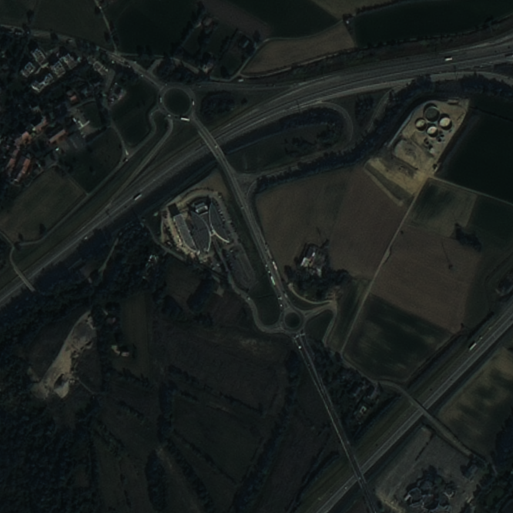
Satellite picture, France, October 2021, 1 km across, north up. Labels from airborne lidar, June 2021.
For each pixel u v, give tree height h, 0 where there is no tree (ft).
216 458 0
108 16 0
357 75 0
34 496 54
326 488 0
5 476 80
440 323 0
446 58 0
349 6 0
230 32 0
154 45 0
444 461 0
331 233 0
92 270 20
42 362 0
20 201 0
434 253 0
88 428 35
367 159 0
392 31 0
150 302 0
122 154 0
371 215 0
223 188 0
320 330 0
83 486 0
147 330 0
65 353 0
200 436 0
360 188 0
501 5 0
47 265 0
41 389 0
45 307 62
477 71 0
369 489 0
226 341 0
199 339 0
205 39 43
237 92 0
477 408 0
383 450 0
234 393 0
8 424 88
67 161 0
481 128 0
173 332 0
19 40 22
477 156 0
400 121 0
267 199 0
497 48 0
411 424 0
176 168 0
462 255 0
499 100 0
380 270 0
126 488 0
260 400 0
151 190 0
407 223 0
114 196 0
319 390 0
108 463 0
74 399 0
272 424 0
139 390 0
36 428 38
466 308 0
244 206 0
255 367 0
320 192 0
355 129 0
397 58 0
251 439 0
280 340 0
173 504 0
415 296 0
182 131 0
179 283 0
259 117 0
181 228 0
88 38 0
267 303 0
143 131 0
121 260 36
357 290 0
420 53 0
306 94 0
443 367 0
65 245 0
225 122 0
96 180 0
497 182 0
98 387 0
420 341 0
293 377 40
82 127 0
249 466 0
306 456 0
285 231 0
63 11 0
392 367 0
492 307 0
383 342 0
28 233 0
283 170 0
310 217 0
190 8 0
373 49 27
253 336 0
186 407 0
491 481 29
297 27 0
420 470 0
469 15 0
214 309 0
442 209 0
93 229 0
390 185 0
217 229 0
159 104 0
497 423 0
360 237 0
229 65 0
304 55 0
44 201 0
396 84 0
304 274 38
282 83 0
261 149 0
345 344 0
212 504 49
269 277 0
